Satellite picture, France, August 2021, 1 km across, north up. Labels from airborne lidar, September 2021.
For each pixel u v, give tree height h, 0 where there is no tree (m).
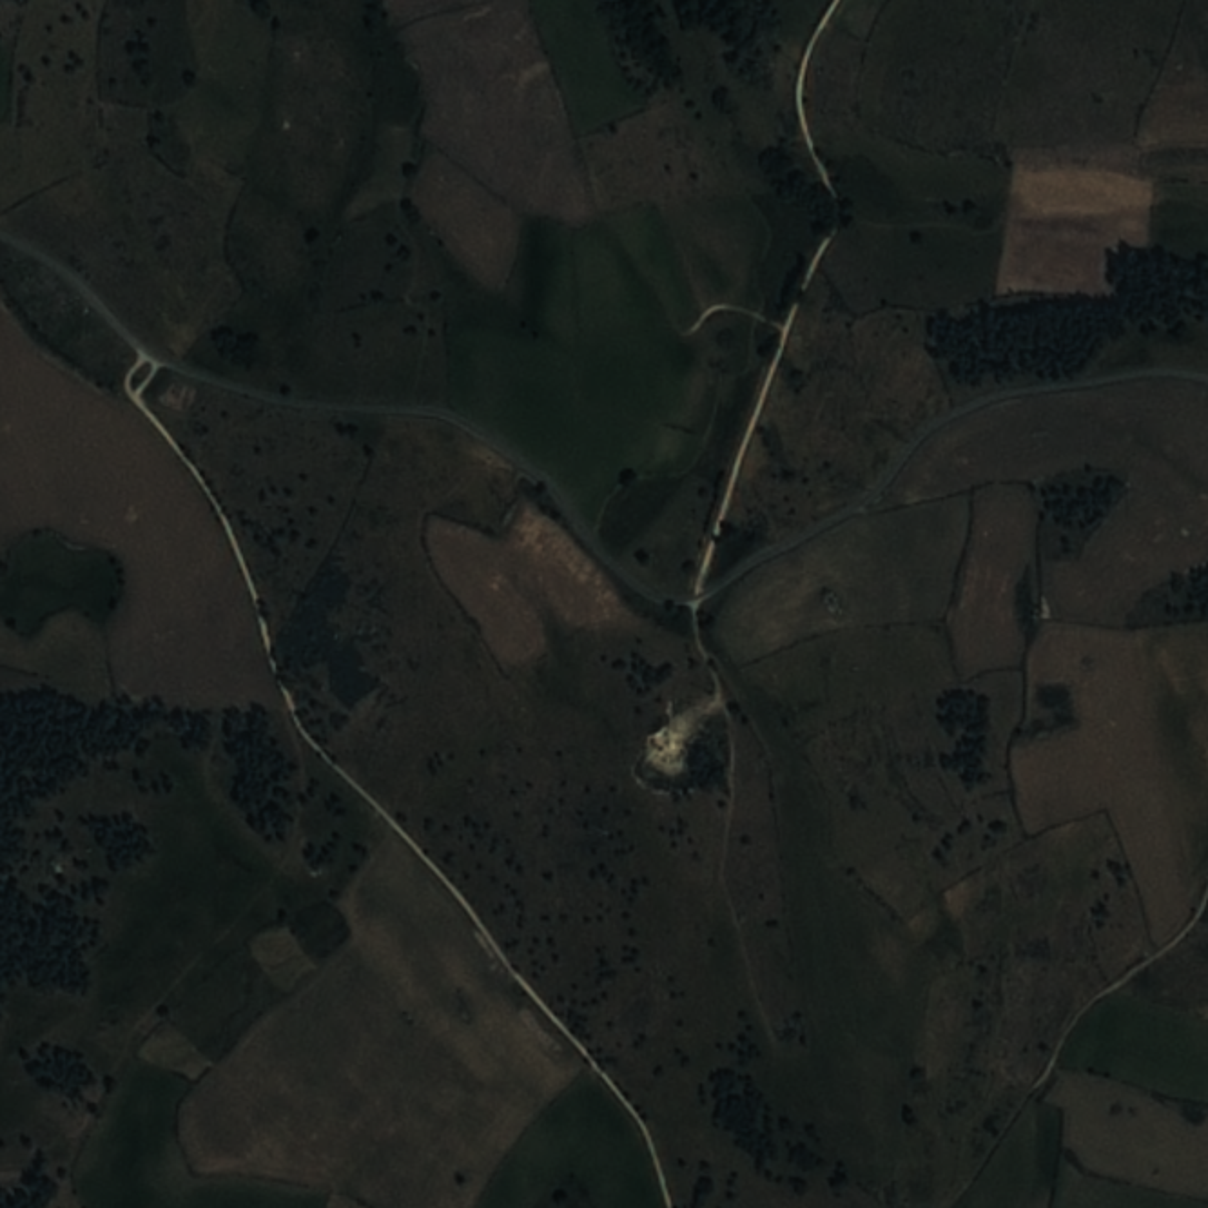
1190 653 0
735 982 0
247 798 13
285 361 0
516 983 0
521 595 0
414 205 10
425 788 0
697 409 0
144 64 13
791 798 0
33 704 13
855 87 0
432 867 0
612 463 0
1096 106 0
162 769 0
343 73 0
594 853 6
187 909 0
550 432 0
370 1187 0
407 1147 0
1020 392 0
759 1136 6
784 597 0
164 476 0
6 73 0
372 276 0
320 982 0
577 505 0
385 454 0
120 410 0
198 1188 0
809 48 0
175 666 0
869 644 0
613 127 8
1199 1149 0
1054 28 0
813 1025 0
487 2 0
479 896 0
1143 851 0
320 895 0
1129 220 0
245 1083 0
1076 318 13
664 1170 0
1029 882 0
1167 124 0
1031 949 0
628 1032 0
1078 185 0
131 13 0
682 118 0
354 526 0
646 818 0
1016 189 0
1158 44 0
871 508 0
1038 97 0
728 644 0
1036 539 0
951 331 13
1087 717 0
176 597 0
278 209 0
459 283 0
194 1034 0
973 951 0
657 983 0
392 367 0
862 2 0
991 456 0
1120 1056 0
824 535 0
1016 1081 0
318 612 0
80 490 0
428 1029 0
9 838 13
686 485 0
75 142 0
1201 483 0
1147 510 0
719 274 0
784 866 0
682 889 0
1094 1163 0
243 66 0
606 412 0
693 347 0
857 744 0
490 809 0
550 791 0
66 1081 13
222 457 0
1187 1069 0
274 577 0
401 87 0
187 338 0
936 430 0
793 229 0
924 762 0
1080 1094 0
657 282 0
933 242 0
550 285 0
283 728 0
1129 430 0
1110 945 0
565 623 0
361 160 0
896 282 0
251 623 0
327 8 0
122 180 0
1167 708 0
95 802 0
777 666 0
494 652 0
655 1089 0
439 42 0
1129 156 0
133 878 0
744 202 0
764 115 0
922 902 0
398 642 0
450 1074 0
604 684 0
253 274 0
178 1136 0
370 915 0
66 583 0
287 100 0
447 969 0
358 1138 0
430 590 0
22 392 0
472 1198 0
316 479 0
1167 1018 0
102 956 0
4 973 13
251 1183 0
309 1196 0
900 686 0
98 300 0
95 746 14
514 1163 0
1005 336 13
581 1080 0
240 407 0
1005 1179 0
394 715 0
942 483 0
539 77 0
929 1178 0
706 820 0
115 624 0
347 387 0
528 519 0
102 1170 0
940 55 0
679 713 0
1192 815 0
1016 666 0
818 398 0
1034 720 0
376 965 0
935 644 0
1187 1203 0
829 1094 0
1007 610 0
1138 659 0
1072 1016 0
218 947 0
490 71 0
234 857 0
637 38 11
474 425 0
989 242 0
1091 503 9
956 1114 0
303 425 0
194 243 0
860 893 0
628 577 0
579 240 0
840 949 0
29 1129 0
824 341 0
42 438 0
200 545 0
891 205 0
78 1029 0
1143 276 16
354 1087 0
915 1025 0
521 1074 0
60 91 0
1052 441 0
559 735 0
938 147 0
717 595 0
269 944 0
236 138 0
